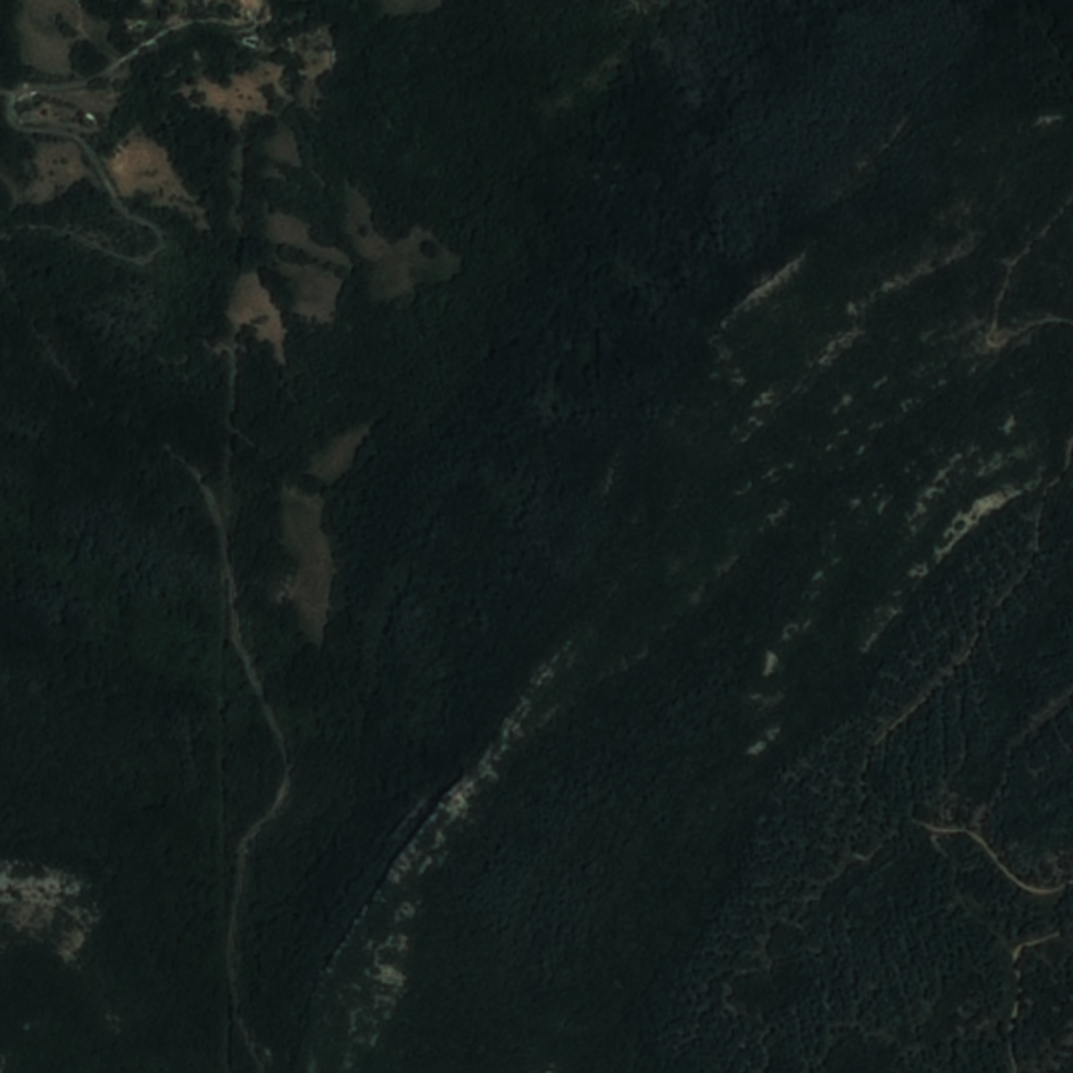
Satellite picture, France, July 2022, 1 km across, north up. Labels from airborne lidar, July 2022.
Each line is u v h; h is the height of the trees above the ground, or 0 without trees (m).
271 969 15
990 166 7
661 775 8
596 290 11
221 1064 12
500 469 8
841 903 8
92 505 14
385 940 6
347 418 17
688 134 12
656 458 7
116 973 9
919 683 12
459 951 7
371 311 13
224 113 6
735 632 12
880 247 11
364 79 16
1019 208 9
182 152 21
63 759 9
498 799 6
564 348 17
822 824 14
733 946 12
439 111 15
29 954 8
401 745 13
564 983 9
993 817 11
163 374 14
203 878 6
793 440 7
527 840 7
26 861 13
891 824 19
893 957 12
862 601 8
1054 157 9
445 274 0
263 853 8
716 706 8
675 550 8
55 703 6
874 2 10
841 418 8
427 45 16
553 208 15
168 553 15
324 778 10
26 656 14
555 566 13
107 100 0
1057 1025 8
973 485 6
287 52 12
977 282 7
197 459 15
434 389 15
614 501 7
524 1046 9
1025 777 15
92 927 7
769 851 12
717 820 7
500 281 20
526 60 17
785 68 15
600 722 15
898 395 7
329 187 10
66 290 8
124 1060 14
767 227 11
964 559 9
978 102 13
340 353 13
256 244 17
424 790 13
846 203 12
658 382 7
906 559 6
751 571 10
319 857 12
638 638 7
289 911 11
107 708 15
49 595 19
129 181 0
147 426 19
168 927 16
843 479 8
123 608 13
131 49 11
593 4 12
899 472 7
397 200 14
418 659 8
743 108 14
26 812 7
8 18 12
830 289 9
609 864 8
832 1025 15
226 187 9
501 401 14
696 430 10
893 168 14
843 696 11
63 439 18
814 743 13
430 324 18
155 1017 9
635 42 9
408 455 15
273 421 15
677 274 12
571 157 17
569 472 11
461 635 13
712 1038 10
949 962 14
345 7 13
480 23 18
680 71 6
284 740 6
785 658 7
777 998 11
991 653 9
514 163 12
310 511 0
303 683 17
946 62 14
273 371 13
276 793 7
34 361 8
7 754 10
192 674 8
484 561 8
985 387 6
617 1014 9
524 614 6
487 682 13
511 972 8
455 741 14
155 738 17
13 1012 8
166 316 10
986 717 14
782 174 17
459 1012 10
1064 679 14
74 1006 12
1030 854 9
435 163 16
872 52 17
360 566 15
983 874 12
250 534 13
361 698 13
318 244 9
